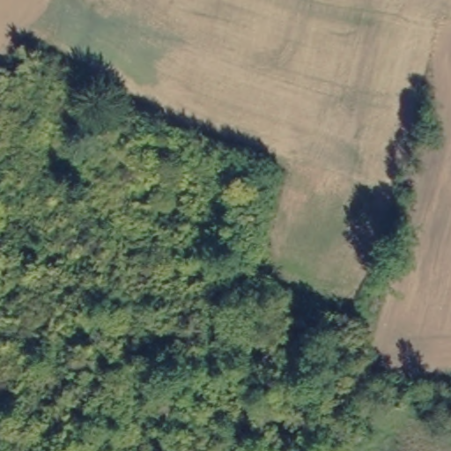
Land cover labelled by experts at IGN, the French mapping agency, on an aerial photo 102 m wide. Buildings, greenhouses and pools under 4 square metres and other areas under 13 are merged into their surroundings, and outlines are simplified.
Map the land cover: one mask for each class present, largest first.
<instances>
[{"label":"deciduous trees","instance_id":"1","mask_svg":"<svg viewBox=\"0 0 451 451\"><path fill-rule=\"evenodd\" d=\"M67 53L46 44L41 39L33 51H26L25 48L16 49V56L23 65H19L14 78L7 76V70L0 69V113L9 111L16 115L23 107L32 109L28 118L19 122L21 129L32 130V136L25 141V148H42L46 152L44 176L51 178L58 185L62 183L67 187V204H78L79 201H83L86 189H92L90 181L83 180L78 169L65 159L70 144L79 143L86 137L113 132L120 127H129V132L118 136L116 150H120L130 139H134L136 146L130 148L127 153L130 157L152 153L159 160L183 166L190 159H199L201 155L210 159L213 152H218L217 169L220 171L217 173V187L211 197L208 218L197 224V236L189 247L185 248V257L189 261L199 262V270L187 278V284H196L203 278L213 284L206 291L204 299L208 303V317H201L197 308H189L178 314V321L171 333H150L143 338H136L132 344L123 345L122 356L116 359L123 370L106 373L102 393L95 396L92 402L86 405L85 410L74 407L70 409V418L65 416L63 421L55 419L48 426V430L41 433L39 442L33 444L28 451H386L400 426L414 416L423 421L426 432L430 435H446L447 439L451 440V389L447 388L446 384H416L396 373H388L377 379L366 366L373 363L377 356H381V351L373 345V333L377 328V319L381 315L384 301L389 298L403 301L402 292L396 291L393 285L402 282L403 278L409 277L410 273H414L418 268L416 250L419 247V238L423 234V227L410 224L409 215L405 211V208H412L418 201V194L412 192L414 187L409 180L412 176L425 174V166H421L419 159L428 150L439 152L444 148L446 141H451V134L444 127H440L439 118L433 107L432 111H426L425 115L421 116V122L414 129L418 141L414 144L409 164H398V174L391 176L389 187L398 197L400 206L389 217L382 218L379 222V234L388 243L375 245L373 250L377 259L365 268V278L361 280L356 294L352 296L358 303V317L351 321L347 315L326 312V315H322L319 310H312L308 315H296L291 321V294H287L271 280V271L275 268L266 264L271 259V225L278 215L280 190L284 187L285 181V167L278 162L277 155L268 152L262 160L250 159L247 153L231 152L215 141H210L203 134L176 130L166 123H152L143 115H136L132 111L130 97L134 93L127 92L115 70H111L109 74L90 76L86 70L78 67L70 70L69 67L58 63Z\"/></svg>","mask_w":451,"mask_h":451},{"label":"agricultural land","instance_id":"2","mask_svg":"<svg viewBox=\"0 0 451 451\"><path fill-rule=\"evenodd\" d=\"M33 33L37 39H41L46 44L67 53L58 63L69 67L70 70L78 67L86 70L90 76L109 74L111 70H115L127 92L134 93L130 97L132 111L136 115H143L152 123H166L176 130L203 134L210 141H215L231 152L247 153L250 159L262 160L268 152L277 155L278 162L285 167V181L284 187L280 190L278 215L271 225V259L266 264L275 268L271 271V280L287 294H291V321L296 315H308L312 310H319L322 315H326V312L347 315L351 321L358 317V303L352 296L356 294L361 280L365 278V268L377 259L373 250L375 245L388 243L379 234V222L382 218L389 217L400 206L398 197L389 187L391 176L398 174V164H409L414 144L418 141L414 129L421 122V116L425 115L426 111H432L433 107L432 85L421 74L425 72L428 53H435V42L439 41L440 37H451V0H51L41 18L26 30Z\"/></svg>","mask_w":451,"mask_h":451},{"label":"brushwood","instance_id":"3","mask_svg":"<svg viewBox=\"0 0 451 451\"><path fill-rule=\"evenodd\" d=\"M32 109L23 107L16 115L9 111L0 113V451H28L33 444L39 442L41 433L48 430V426L55 419L63 421L65 416L70 418V409L74 407L85 410L86 405L92 402L95 396L102 393L106 373L123 370L116 359L122 356L123 345L132 344L136 338H143L150 333H171L178 321V314L189 308H197L201 317H208V303L204 299L206 291L213 284L203 278L196 284H187V278L199 270V262L189 261L185 257V248L189 247L197 236V224L208 218L211 197L217 187V173L220 171L217 169L218 152H213L210 159L201 155L199 159H190L183 166L159 160L152 153L130 157L127 153L130 148L136 146L134 139H130L120 150H116L118 136L129 132V127H120L113 132L86 137L79 143L70 144L65 159L78 169L83 180L90 181L92 189H86L83 201H79L78 204H67V187L62 183L58 185L51 178L44 176L46 152L42 148H25V141L32 136V130L21 129L19 122L28 118Z\"/></svg>","mask_w":451,"mask_h":451},{"label":"plowed land","instance_id":"4","mask_svg":"<svg viewBox=\"0 0 451 451\"><path fill-rule=\"evenodd\" d=\"M51 0H0V69L7 70V76L14 78L19 65H23L16 56V49L25 48L26 51H33L41 39H37L33 33L26 30L41 18ZM432 85L433 107L439 118L440 127H444L451 134V37H440L439 41L435 42V53H428L425 72L421 74ZM421 166H425V174L412 176L409 180L414 187L412 192L418 194V201L412 208H405V211L409 215L410 224L423 227V234L419 238V247L416 250L418 268L414 273H410L409 277L403 278L402 282L393 285L396 291L402 292L403 301L389 298L384 301L381 315L377 319V328L373 333V345L381 351V356H377L373 363L366 366L377 379L388 373H396L416 384H446L447 388L451 389V141H446L444 148L439 152L428 150L419 159Z\"/></svg>","mask_w":451,"mask_h":451},{"label":"herbaceous vegetation","instance_id":"5","mask_svg":"<svg viewBox=\"0 0 451 451\"><path fill-rule=\"evenodd\" d=\"M386 451H451V440L447 439L446 435H430L426 432L423 421L414 416L400 426Z\"/></svg>","mask_w":451,"mask_h":451}]
</instances>
